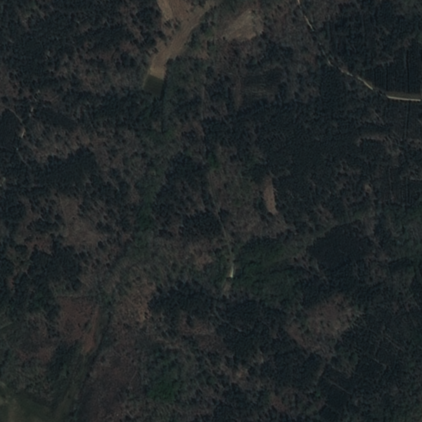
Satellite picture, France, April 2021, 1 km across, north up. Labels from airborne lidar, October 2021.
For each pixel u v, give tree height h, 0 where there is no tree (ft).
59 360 30
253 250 75
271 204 0
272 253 72
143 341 34
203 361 66
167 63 0
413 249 62
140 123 66
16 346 21
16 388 44
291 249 61
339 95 57
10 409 0
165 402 46
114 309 71
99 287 46
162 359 21
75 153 41
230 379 50
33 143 58
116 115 83
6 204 57
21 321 36
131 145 28
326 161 0
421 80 35
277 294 49
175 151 62
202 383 60
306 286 35
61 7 69
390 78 41
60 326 48
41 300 68
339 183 72
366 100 38
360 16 33
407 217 64
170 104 77
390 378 39
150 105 68
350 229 41
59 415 0
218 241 27
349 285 57
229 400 71
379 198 69
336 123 68
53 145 51
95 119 74
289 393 23
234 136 67
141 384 23
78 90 70
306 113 47
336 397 32
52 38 47
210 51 45
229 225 17
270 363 27
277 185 76
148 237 75
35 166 73
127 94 67
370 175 60
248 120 63
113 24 63
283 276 58
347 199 61
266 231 32
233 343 68
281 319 75
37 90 57
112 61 25
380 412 19
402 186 32
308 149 78
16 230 66
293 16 52
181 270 49
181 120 75
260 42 35
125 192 90
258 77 19
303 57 21
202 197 27
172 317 88
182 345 45
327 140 0
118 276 78
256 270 66
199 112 68
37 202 70
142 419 43
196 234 81
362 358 38
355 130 64
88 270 51
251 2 74
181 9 0
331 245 44
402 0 70
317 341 26
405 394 31
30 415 0
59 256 75
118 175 84
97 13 57
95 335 0
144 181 66
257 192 35
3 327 46
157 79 0
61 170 83
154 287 59
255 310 75
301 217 65
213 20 54
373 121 23
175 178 77
